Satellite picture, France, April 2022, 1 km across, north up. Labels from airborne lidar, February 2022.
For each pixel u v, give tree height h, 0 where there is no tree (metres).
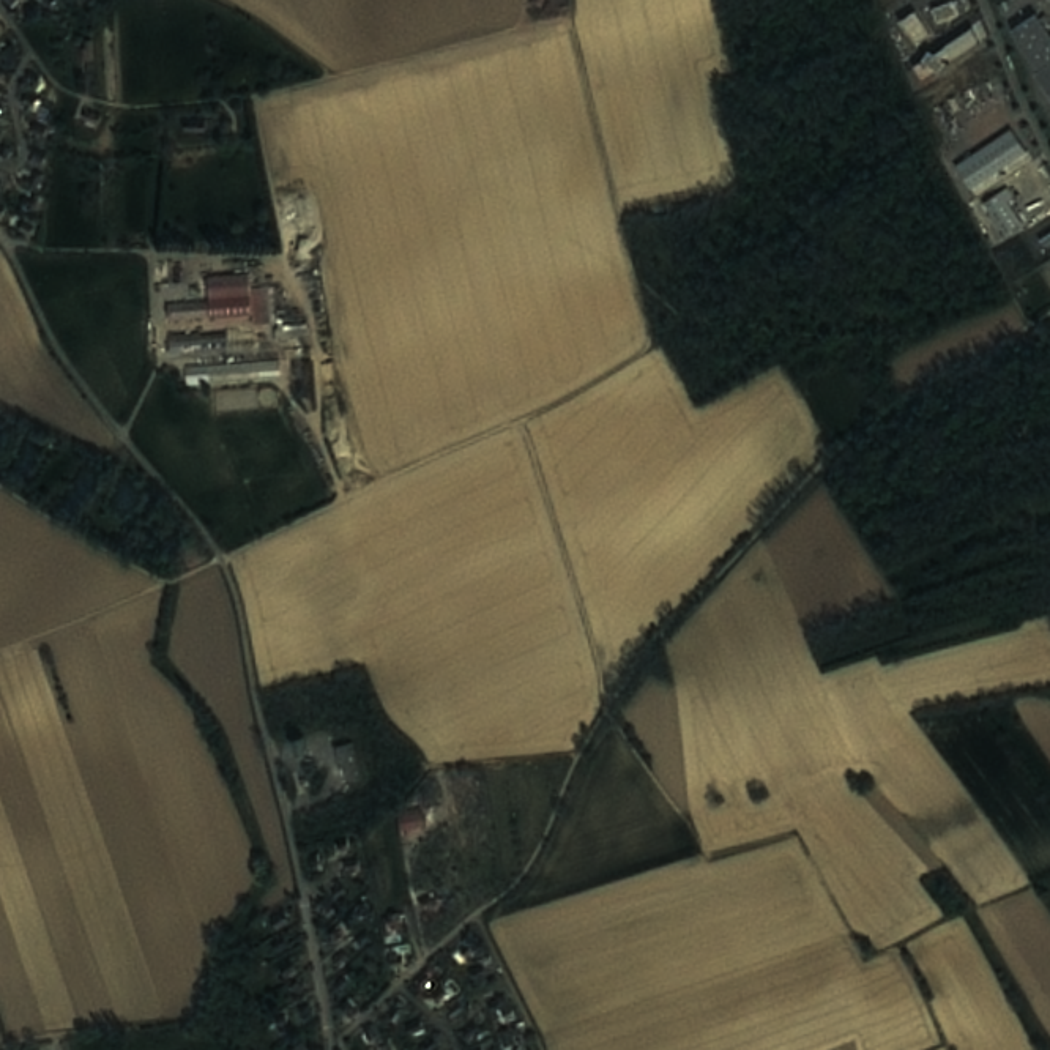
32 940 0
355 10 0
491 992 0
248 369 0
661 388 0
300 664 0
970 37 0
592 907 0
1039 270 0
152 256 0
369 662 0
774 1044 0
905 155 28
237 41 0
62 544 0
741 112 22
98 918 0
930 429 28
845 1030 0
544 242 0
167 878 0
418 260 0
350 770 0
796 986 0
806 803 0
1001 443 26
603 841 0
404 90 0
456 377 0
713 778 0
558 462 0
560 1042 0
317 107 0
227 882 0
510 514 0
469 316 0
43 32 0
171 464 0
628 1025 0
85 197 13
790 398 0
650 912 0
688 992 0
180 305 0
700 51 0
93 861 0
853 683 0
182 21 0
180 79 0
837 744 0
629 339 0
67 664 0
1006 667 0
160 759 0
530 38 0
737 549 8
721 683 0
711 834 0
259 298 0
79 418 0
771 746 0
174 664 0
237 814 0
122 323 0
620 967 0
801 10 25
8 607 0
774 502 22
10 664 0
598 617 0
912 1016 0
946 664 0
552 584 0
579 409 0
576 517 0
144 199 0
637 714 0
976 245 28
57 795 0
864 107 29
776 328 20
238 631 0
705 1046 0
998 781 0
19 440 18
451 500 0
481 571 0
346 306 0
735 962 0
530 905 0
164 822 0
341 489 0
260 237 15
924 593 10
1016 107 7
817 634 21
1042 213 0
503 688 0
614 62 0
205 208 0
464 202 0
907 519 23
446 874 14
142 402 0
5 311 0
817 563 0
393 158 0
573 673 0
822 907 0
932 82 0
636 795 0
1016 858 0
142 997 0
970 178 0
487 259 0
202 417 0
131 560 27
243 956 23
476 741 0
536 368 0
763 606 0
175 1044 0
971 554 15
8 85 0
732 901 0
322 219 0
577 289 0
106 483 17
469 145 0
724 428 0
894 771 0
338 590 0
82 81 14
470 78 0
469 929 8
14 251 0
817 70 26
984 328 0
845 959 0
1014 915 0
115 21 0
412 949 0
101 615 0
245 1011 20
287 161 0
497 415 0
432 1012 0
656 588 0
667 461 0
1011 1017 0
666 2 0
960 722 0
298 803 0
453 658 0
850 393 0
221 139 15
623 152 0
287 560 0
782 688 0
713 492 0
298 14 0
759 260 26
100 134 0
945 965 0
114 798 0
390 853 0
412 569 0
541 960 0
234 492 0
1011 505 22
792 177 9
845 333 22
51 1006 0
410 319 0
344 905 12
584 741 11
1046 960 0
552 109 0
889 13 0
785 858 0
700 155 0
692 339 21
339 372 0
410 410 0
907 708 0
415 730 0
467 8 0
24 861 0
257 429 0
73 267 0
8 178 0
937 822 0
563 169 0
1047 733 0
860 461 29
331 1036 0
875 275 11
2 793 0
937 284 23
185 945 0
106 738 0
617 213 0
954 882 12
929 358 0
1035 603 13
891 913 0
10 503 0
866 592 0
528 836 0
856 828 0
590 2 0
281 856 0
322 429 0
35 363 0
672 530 0
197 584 0
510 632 0
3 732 0
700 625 0
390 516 0
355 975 12
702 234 27
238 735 0
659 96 0
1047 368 27
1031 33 0
